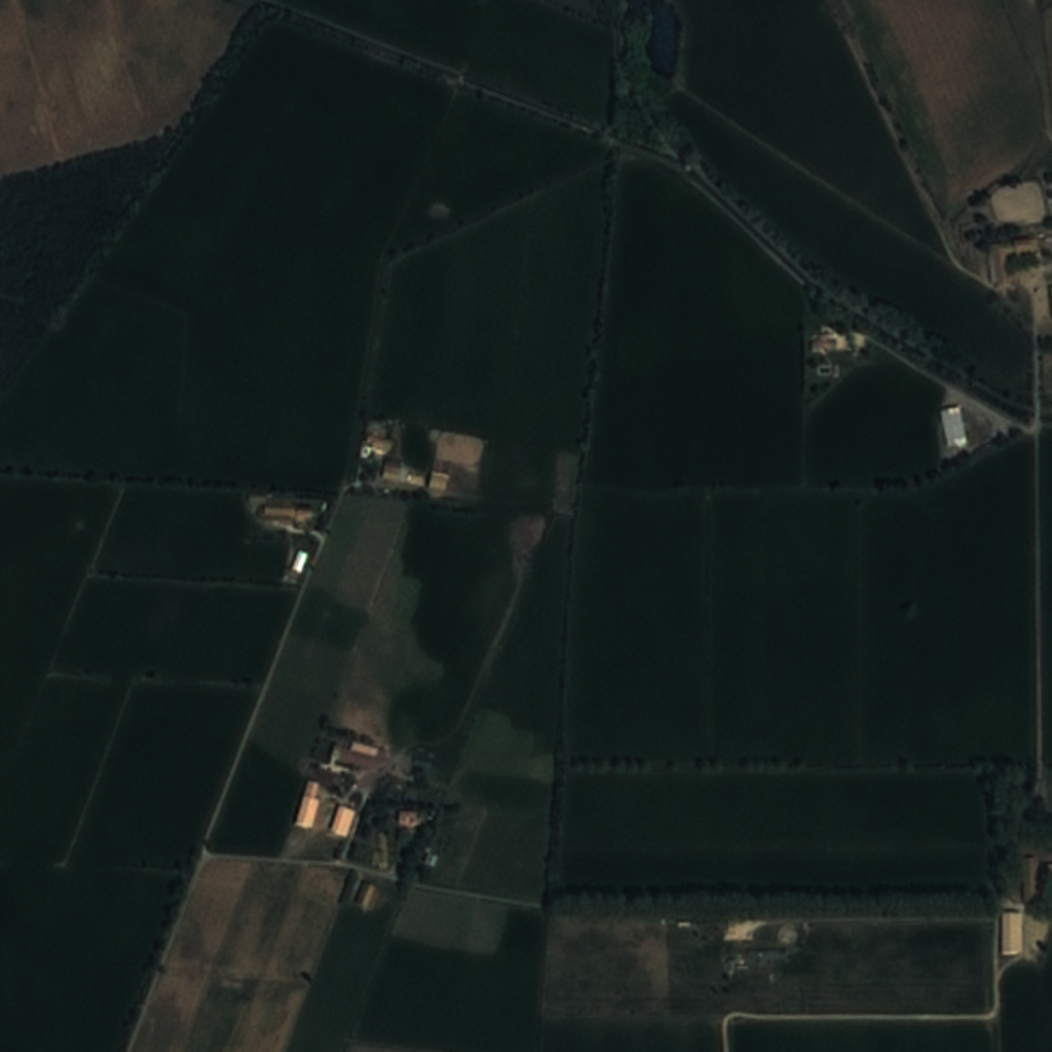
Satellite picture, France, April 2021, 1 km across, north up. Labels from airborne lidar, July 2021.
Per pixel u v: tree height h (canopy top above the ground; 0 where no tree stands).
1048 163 0
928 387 0
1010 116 0
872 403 0
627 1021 0
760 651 0
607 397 0
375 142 0
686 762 0
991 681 0
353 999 0
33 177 6
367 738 8
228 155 0
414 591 0
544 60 0
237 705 0
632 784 0
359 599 0
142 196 8
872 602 0
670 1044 0
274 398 0
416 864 10
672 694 0
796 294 0
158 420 0
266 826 0
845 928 0
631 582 0
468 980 0
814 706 0
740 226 0
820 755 0
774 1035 0
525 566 0
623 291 0
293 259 0
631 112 14
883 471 0
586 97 0
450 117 0
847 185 0
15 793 0
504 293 0
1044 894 20
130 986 0
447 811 9
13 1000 0
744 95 0
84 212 8
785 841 0
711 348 0
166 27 0
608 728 0
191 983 0
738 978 0
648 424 0
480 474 0
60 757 0
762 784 0
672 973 0
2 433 0
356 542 0
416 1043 0
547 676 0
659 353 0
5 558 0
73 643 0
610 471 0
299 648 0
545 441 0
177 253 0
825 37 0
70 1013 0
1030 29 0
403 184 0
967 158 0
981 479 0
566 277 0
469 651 0
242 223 0
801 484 0
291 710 0
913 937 0
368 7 0
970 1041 0
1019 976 0
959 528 0
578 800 0
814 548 0
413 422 0
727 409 0
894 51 0
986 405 9
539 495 0
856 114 0
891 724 0
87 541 0
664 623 0
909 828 0
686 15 0
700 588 0
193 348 0
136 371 0
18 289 7
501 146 0
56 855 0
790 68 0
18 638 0
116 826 0
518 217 0
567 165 0
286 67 0
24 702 0
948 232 0
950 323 0
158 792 0
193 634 0
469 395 0
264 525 0
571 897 21
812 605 0
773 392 0
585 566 0
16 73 0
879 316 17
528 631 0
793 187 0
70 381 0
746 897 23
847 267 0
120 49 0
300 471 0
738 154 0
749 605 0
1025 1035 0
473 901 0
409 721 0
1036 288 0
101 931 0
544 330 0
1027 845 25
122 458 0
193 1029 0
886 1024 0
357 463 6
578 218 0
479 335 0
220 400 0
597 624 0
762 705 0
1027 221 0
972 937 0
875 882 0
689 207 0
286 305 0
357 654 0
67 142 0
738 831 0
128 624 0
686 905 25
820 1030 0
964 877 0
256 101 0
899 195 0
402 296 0
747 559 0
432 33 0
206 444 0
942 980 0
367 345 0
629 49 6
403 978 0
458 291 0
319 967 0
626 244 0
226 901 0
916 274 0
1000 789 28
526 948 0
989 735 0
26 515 0
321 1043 0
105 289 0
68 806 0
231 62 9
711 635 0
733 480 0
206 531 0
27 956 0
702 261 0
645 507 0
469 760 0
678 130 12
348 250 0
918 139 0
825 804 0
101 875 0
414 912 0
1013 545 0
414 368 0
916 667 0
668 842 0
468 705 0
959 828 0
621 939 0
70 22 0
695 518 0
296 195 0
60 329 10
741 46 0
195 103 7
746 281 0
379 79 0
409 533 0
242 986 0
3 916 0
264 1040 0
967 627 0
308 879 0
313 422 0
